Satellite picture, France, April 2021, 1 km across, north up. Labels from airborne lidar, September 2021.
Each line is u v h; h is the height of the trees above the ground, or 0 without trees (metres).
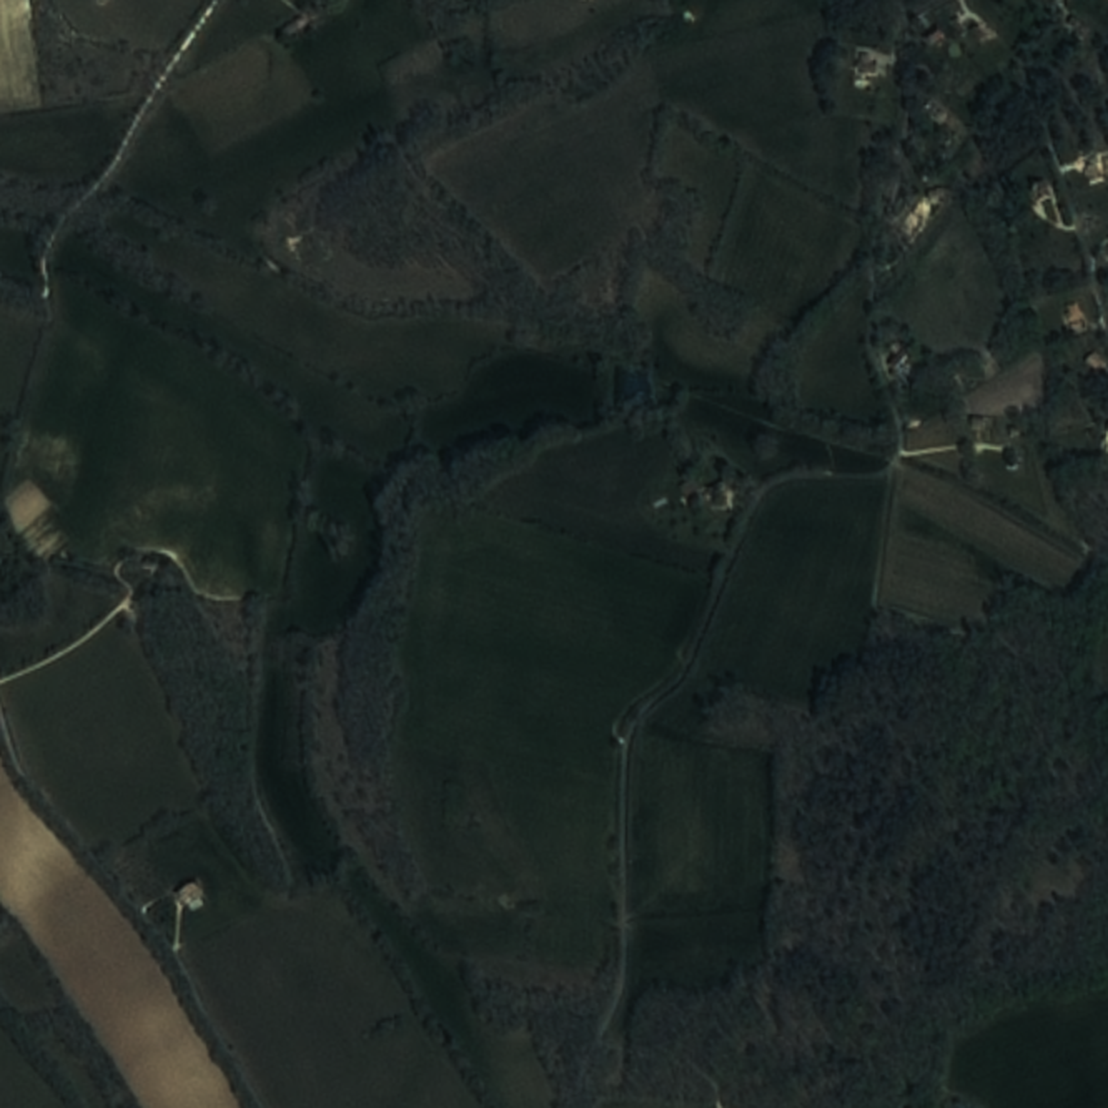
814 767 16
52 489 0
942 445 0
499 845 0
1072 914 15
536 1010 13
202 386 0
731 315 16
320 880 21
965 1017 12
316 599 0
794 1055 10
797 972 18
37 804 16
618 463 0
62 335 0
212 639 15
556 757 0
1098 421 11
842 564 0
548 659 0
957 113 0
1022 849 15
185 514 0
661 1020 16
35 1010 0
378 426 0
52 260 18
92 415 0
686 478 11
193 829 0
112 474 0
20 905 0
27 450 0
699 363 0
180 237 17
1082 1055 0
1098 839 17
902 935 16
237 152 0
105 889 10
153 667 8
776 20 0
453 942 0
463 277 13
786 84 0
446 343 0
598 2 0
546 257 0
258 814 22
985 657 18
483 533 0
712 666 0
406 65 0
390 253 12
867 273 20
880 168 17
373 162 12
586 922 0
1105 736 20
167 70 10
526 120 0
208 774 17
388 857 14
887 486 0
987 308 0
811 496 0
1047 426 16
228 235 0
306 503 17
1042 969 17
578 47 0
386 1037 9
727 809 0
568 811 0
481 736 0
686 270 14
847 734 16
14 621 16
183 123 0
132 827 0
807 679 0
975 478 15
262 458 0
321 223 7
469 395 0
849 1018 19
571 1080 13
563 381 0
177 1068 0
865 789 20
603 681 0
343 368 0
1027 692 17
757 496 15
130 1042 0
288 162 0
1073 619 19
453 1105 0
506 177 0
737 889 0
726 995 16
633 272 16
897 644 10
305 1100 0
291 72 0
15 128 0
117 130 0
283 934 0
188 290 14
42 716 0
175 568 12
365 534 0
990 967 10
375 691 17
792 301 0
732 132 0
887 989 18
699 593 0
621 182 0
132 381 0
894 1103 21
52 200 18
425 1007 12
